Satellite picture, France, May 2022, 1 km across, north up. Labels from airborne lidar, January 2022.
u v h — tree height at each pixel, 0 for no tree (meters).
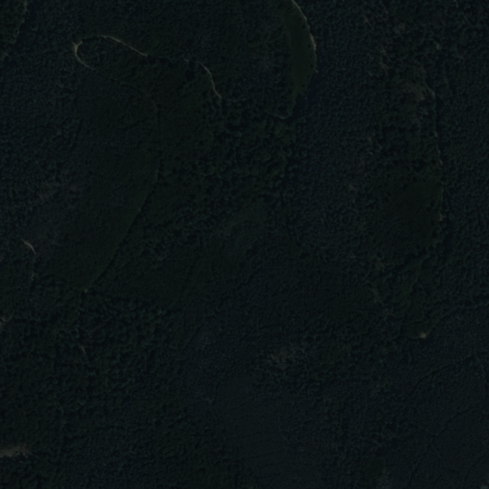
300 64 0
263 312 20
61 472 27
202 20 21
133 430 17
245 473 18
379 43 26
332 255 24
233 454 19
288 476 17
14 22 27
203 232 32
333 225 22
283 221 20
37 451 33
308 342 20
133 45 15
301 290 18
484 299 23
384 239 10
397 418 21
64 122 21
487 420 17
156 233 28
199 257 21
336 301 20
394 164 29
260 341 22
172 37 22
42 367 26
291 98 23
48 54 19
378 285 16
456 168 17
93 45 19
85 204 14
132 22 28
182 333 20
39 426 29
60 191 18
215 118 12
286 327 16
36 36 27
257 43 19
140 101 13
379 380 23
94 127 10
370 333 15
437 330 19
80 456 19
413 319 27
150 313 28
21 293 11
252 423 18
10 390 25
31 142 20
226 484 27
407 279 28
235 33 29
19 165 18
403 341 26
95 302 13
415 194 10
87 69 12
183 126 17
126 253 14
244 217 25
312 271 22
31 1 8
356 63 21
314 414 22
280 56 18
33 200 20
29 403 28
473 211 21
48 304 13
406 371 21
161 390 28
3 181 30
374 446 21
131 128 14
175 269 15
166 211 19
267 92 26
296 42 0
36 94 18
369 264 15
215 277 21
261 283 22
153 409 27
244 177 32
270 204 19
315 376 9
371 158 18
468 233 27
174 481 27
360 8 24
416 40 30
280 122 26
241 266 23
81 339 22
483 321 19
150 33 22
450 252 26
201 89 15
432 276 24
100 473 24
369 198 25
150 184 16
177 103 14
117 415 22
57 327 28
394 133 28
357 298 14
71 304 14
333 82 28
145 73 17
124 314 26
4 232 23
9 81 22
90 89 14
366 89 22
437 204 6
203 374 18
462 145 24
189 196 13
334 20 25
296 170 30
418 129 17
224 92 18
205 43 27
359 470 18
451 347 20
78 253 18
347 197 24
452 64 27
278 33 25
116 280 13
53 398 30
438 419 22
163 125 14
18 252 16
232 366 18
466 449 21
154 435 26
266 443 18
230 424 21
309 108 23
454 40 33
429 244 14
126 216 16
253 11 18
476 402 17
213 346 24
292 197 23
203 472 30
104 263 20
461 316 17
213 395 15
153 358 22
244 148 33
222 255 25
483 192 20
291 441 20
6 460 31
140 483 25
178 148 17
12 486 27
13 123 23
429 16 28
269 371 19
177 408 25
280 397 20
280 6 18
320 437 21
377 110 25
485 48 20
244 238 23
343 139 13
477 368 19
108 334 27
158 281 17
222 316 24
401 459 19
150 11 22
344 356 20
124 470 12
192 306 23
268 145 24
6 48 32
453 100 24
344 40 27
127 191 16
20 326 19
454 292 23
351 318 8
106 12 22
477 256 23
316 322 18
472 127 22
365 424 20
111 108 10
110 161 13
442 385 19
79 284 19
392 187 7
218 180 21
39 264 18
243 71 25
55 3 28
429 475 17
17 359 26
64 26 16
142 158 18
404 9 11
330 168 20
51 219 16
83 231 19
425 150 34
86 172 11
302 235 25
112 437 24
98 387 34
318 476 21
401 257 15
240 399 18
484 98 28
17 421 27
